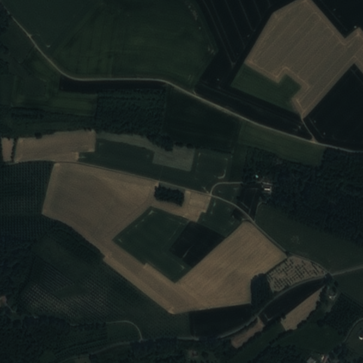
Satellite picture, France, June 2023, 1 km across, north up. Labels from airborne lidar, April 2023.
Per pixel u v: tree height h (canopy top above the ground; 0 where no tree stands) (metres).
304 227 0
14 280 26
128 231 0
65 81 0
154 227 0
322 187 37
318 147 0
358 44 0
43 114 7
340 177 15
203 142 0
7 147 0
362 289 0
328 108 0
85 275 0
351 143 0
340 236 11
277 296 0
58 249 0
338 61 0
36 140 0
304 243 0
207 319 0
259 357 11
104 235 0
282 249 0
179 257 0
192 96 0
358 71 0
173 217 0
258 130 0
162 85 0
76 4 0
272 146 0
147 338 0
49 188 0
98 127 23
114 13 0
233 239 0
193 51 0
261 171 10
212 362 0
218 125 0
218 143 0
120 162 0
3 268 30
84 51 0
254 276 0
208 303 0
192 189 0
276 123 0
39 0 0
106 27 0
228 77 0
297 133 0
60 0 0
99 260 0
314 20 0
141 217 0
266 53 0
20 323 16
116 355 0
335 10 0
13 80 0
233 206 0
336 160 17
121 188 0
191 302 0
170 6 0
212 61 0
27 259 23
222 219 0
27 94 0
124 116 16
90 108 0
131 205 0
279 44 0
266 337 0
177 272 0
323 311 0
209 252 0
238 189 0
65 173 0
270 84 0
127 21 0
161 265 0
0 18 26
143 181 0
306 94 0
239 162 0
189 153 0
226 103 0
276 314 0
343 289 0
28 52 0
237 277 0
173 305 0
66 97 0
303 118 0
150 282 0
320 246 0
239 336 0
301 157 0
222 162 0
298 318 0
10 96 0
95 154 0
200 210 0
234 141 0
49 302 0
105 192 0
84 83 0
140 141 0
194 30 0
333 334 0
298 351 0
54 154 0
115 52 0
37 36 0
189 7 0
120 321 0
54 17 0
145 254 0
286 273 0
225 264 0
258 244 0
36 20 0
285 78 0
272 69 0
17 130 0
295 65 0
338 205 28
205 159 0
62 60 0
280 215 0
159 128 14
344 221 30
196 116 0
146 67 0
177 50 0
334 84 0
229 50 0
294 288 0
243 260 0
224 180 0
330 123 0
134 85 0
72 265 0
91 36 0
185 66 0
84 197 0
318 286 0
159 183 0
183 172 0
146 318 0
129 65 0
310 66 0
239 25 0
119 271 0
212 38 0
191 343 6
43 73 0
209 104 0
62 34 0
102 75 0
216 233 0
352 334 0
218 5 0
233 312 0
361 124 0
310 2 0
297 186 18
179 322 0
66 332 20
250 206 0
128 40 0
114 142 0
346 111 0
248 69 0
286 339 0
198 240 0
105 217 0
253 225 0
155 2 0
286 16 0
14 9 0
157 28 0
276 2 0
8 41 0
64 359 10
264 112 0
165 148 17
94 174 0
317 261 0
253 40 0
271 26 0
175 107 0
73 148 0
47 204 0
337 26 0
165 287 0
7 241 30
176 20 0
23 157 0
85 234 0
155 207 0
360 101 0
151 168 0
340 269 0
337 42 0
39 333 17
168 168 0
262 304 14
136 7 0
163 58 0
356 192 23
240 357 0
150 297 0
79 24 0
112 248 0
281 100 0
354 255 0
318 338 0
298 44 0
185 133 0
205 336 0
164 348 29
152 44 0
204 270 0
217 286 0
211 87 0
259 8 0
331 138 0
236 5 0
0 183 0
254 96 0
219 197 0
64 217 0
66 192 0
